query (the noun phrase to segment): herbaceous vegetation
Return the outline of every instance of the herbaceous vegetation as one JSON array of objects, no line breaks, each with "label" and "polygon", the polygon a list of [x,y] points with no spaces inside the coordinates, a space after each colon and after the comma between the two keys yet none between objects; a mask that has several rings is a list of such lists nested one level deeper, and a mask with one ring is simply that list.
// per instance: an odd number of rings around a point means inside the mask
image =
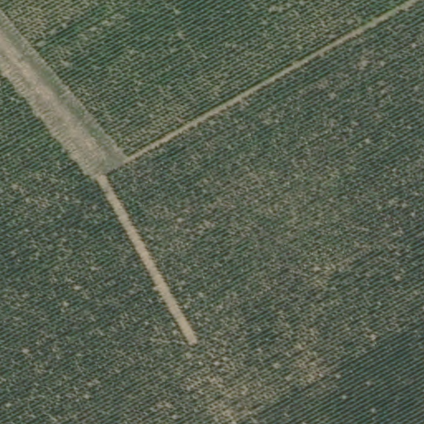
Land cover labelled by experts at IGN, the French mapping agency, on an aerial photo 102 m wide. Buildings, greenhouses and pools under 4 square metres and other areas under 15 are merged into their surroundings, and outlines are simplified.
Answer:
[{"label": "herbaceous vegetation", "polygon": [[78,162],[83,174],[91,177],[93,181],[101,174],[106,176],[109,171],[131,161],[113,137],[99,126],[93,114],[88,113],[86,106],[76,98],[65,81],[56,75],[56,71],[46,63],[45,58],[41,58],[38,51],[33,50],[30,41],[15,28],[0,8],[0,31],[17,48],[20,60],[26,61],[31,70],[38,75],[31,83],[23,76],[22,71],[12,73],[8,78],[15,91],[28,101],[36,118],[45,123],[51,136],[68,151],[73,161]]}]

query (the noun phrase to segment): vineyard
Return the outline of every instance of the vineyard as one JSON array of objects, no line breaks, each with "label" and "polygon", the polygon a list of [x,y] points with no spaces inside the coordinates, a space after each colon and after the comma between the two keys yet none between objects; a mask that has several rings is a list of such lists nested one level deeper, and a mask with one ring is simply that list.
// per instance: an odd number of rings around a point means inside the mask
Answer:
[{"label": "vineyard", "polygon": [[78,162],[73,161],[68,151],[51,136],[45,123],[36,118],[28,101],[15,91],[8,78],[0,71],[0,424],[424,424],[424,0],[0,0],[0,8],[15,28],[30,41],[33,50],[38,51],[41,58],[45,58],[46,63],[56,71],[56,75],[65,81],[76,98],[86,106],[88,113],[93,114],[99,126],[113,137],[131,161],[109,171],[106,176],[101,174],[93,181],[91,177],[83,174]]}]

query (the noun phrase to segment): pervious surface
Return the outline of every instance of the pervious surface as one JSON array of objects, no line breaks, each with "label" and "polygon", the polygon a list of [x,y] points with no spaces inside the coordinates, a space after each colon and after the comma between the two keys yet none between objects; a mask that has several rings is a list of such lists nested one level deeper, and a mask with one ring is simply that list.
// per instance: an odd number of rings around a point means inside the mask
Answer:
[{"label": "pervious surface", "polygon": [[23,76],[31,83],[38,75],[31,70],[26,61],[20,60],[17,48],[0,31],[0,71],[8,78],[12,73],[22,71]]}]

